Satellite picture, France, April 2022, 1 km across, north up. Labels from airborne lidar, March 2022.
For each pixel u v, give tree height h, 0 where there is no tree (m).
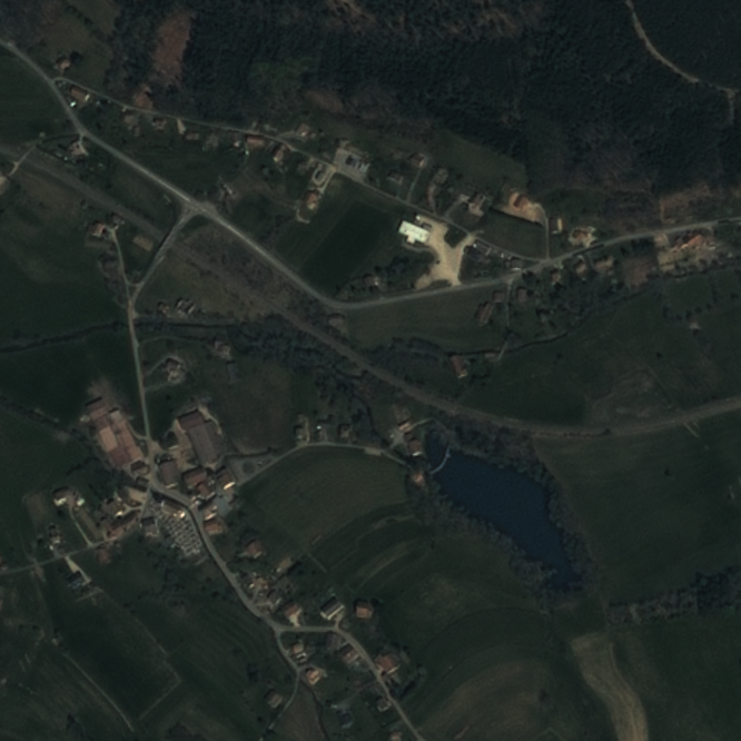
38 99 0
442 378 0
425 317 0
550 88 18
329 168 0
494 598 0
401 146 0
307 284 0
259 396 0
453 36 22
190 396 0
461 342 0
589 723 0
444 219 0
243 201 0
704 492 0
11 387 0
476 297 0
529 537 0
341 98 19
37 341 10
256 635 0
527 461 24
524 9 24
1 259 0
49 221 0
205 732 0
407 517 0
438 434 28
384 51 24
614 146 16
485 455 30
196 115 17
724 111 19
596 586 23
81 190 0
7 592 0
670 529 0
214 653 0
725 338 0
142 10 21
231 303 0
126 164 0
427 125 24
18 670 0
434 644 0
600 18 13
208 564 0
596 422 0
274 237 11
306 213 0
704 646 0
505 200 0
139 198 0
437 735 0
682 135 16
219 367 0
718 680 0
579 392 0
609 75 10
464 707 0
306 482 0
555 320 10
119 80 19
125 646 0
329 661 6
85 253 0
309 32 24
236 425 0
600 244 0
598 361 0
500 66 17
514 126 13
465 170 0
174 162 0
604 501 0
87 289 0
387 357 16
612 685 0
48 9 26
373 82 25
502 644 0
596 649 0
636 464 0
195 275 0
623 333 0
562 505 21
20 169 0
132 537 0
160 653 0
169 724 0
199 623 0
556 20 21
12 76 0
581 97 11
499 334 0
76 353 0
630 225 17
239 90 21
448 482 0
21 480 0
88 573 0
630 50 11
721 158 15
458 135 9
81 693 0
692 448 0
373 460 0
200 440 0
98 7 0
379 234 0
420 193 0
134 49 28
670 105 9
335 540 0
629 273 0
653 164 19
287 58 27
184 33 0
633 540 0
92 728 0
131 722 0
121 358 0
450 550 0
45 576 0
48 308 0
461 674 0
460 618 0
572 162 15
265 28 25
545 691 0
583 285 18
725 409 0
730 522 0
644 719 0
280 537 0
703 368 0
